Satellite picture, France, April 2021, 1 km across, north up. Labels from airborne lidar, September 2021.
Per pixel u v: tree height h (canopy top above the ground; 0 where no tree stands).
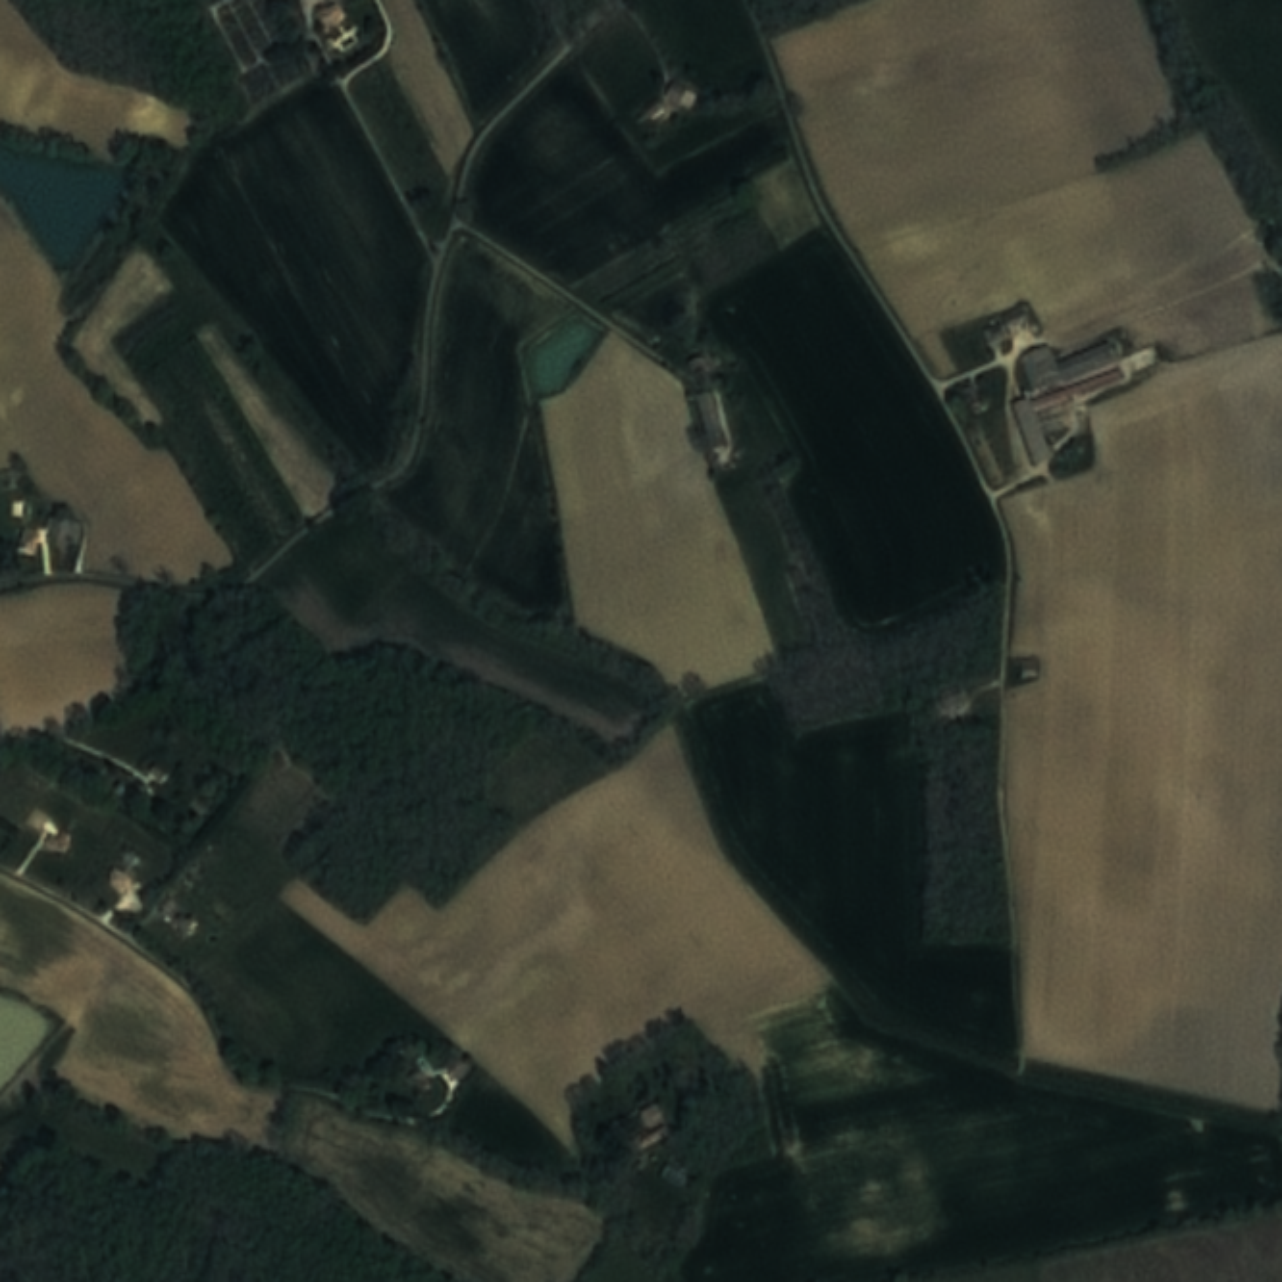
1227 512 0
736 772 0
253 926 0
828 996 0
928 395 0
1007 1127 0
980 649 16
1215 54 0
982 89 0
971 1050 0
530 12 0
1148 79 0
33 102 0
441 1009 0
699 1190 14
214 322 0
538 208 0
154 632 24
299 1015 0
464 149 0
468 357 0
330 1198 20
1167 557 0
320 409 0
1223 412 0
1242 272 0
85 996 0
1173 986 0
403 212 0
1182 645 0
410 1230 0
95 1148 0
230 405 5
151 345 7
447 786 18
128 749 0
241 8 10
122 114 0
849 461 0
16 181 0
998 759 6
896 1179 0
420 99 0
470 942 0
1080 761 0
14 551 5
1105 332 0
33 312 0
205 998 15
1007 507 0
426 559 19
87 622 0
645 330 0
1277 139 0
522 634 7
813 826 0
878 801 0
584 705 0
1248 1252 0
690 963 0
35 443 0
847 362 0
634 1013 0
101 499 0
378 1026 0
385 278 0
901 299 0
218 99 23
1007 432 0
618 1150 12
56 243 0
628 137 0
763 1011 0
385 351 0
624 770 12
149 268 0
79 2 17
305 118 0
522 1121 0
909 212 0
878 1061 0
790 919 0
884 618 0
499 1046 0
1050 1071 0
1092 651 0
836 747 0
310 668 20
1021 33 0
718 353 13
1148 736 0
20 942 0
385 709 22
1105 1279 0
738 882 0
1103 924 0
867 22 0
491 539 0
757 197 13
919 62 0
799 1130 0
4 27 0
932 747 16
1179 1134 0
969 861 17
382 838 24
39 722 0
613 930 0
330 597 0
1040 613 0
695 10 0
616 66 0
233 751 19
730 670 0
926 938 10
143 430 11
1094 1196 0
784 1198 0
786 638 0
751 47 0
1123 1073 0
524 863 0
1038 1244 0
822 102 0
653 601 0
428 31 0
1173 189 0
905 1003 0
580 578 0
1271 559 0
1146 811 0
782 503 13
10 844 7
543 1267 0
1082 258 0
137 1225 23
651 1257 12
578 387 0
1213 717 0
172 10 21
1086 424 0
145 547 0
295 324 0
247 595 12
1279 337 0
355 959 0
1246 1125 0
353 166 0
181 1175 17
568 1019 0
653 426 0
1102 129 0
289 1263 19
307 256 0
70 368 17
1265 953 0
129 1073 0
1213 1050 0
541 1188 20
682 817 0
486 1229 0
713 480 8
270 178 0
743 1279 0
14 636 0
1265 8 0
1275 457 0
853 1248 0
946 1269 0
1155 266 0
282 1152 21
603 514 0
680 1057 13
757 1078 10
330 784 23
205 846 7
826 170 0
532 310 0
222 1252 15
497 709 16
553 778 0
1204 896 0
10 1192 17
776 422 0
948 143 0
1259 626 0
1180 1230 6
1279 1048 0
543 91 0
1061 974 0
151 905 13
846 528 0
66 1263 20
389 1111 11
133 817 16
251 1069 14
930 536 0
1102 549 0
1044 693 0
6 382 0
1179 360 0
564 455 0
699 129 0
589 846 0
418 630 0
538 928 0
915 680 15
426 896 15
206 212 0
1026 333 0
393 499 0
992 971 0
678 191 0
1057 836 0
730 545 0
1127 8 0
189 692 23
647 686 15
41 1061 0
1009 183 0
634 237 0
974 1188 0
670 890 0
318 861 17
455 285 0
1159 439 0
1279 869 0
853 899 0
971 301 0
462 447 0
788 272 0
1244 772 0
